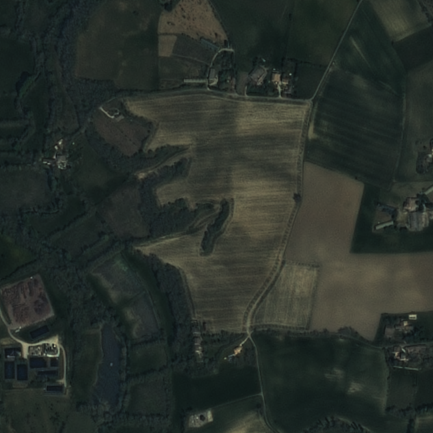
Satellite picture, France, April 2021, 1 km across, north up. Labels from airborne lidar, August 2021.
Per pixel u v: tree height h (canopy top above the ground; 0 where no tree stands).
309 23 0
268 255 0
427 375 0
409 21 0
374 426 0
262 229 0
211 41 9
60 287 16
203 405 0
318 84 0
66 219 0
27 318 0
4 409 9
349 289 0
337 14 0
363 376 0
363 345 0
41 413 0
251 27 0
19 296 0
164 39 0
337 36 0
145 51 0
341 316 0
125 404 22
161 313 0
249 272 0
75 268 14
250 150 0
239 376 0
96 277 0
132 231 0
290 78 8
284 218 0
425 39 0
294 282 0
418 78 0
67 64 21
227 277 0
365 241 0
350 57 0
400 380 0
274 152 0
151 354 0
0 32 14
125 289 0
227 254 0
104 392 0
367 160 0
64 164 0
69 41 21
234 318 0
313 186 0
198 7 0
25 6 11
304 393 0
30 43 8
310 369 0
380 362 0
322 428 11
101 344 0
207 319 0
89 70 0
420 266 0
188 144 0
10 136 0
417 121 0
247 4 0
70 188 13
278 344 0
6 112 0
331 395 0
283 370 0
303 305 0
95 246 9
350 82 0
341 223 0
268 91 11
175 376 0
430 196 0
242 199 0
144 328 0
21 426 0
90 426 0
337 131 0
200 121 0
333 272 0
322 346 0
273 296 0
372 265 0
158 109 0
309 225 0
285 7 0
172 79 0
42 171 22
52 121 17
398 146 0
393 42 7
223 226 0
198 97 0
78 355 18
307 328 0
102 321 19
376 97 0
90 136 15
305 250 0
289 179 0
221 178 0
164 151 14
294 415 0
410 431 17
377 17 0
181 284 18
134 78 0
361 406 0
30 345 0
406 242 0
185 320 20
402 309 0
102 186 0
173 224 16
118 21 0
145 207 15
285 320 0
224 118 0
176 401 0
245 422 0
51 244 14
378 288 0
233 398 0
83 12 24
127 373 13
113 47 0
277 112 0
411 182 0
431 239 0
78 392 0
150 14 0
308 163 0
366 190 0
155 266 20
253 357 17
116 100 8
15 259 0
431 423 0
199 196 0
